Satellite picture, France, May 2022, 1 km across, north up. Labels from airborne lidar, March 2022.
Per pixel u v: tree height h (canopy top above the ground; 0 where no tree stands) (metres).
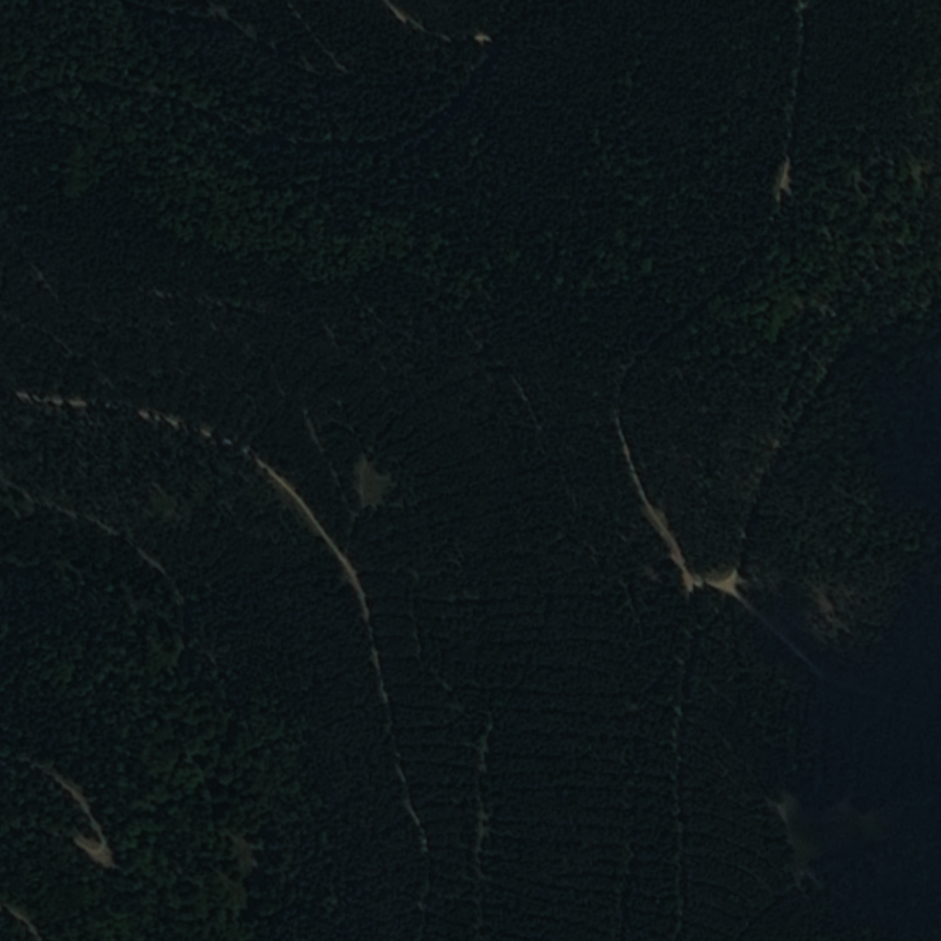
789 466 23
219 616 23
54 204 26
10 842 24
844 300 21
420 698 16
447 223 27
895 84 13
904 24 16
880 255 22
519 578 20
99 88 25
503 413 18
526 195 23
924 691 16
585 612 18
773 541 25
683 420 20
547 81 23
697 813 18
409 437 17
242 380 18
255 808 31
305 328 19
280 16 27
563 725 19
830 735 18
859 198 17
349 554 10
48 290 18
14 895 26
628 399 21
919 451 24
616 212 20
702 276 21
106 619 26
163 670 18
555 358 22
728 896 18
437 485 16
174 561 12
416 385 20
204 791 20
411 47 22
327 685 21
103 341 20
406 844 21
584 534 19
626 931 18
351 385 16
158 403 14
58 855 26
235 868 24
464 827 10
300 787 25
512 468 19
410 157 24
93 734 32
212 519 12
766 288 18
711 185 21
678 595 20
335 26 24
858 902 9
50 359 15
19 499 27
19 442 36
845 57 17
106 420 35
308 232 20
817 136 22
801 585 20
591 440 19
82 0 24
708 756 20
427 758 16
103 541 14
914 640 19
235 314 19
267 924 26
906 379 22
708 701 18
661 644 23
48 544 18
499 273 27
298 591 21
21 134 25
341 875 22
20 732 29
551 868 22
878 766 16
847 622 19
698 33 22
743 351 17
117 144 26
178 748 35
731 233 21
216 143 22
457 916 14
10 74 23
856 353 26
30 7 30
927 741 17
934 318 20
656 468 16
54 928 29
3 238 24
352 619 20
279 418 15
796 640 20
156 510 34
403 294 26
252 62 27
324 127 17
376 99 24
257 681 24
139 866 22
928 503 26
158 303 16
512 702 20
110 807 30
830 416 19
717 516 18
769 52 21
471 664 13
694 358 16
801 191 14
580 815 22
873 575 19
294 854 29
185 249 27
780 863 13
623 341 19
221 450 34
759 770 18
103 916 26
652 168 21
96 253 24
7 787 28
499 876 15
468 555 17
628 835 19
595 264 22
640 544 17
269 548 10
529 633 16
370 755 23
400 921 20
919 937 10
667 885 14
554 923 23
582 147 27
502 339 23
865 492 28
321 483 15
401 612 11
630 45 24
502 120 26
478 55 27
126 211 28
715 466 20
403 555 15
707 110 23
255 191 23
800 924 11
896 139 17
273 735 24
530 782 22
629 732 18
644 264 23
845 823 0
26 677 29
